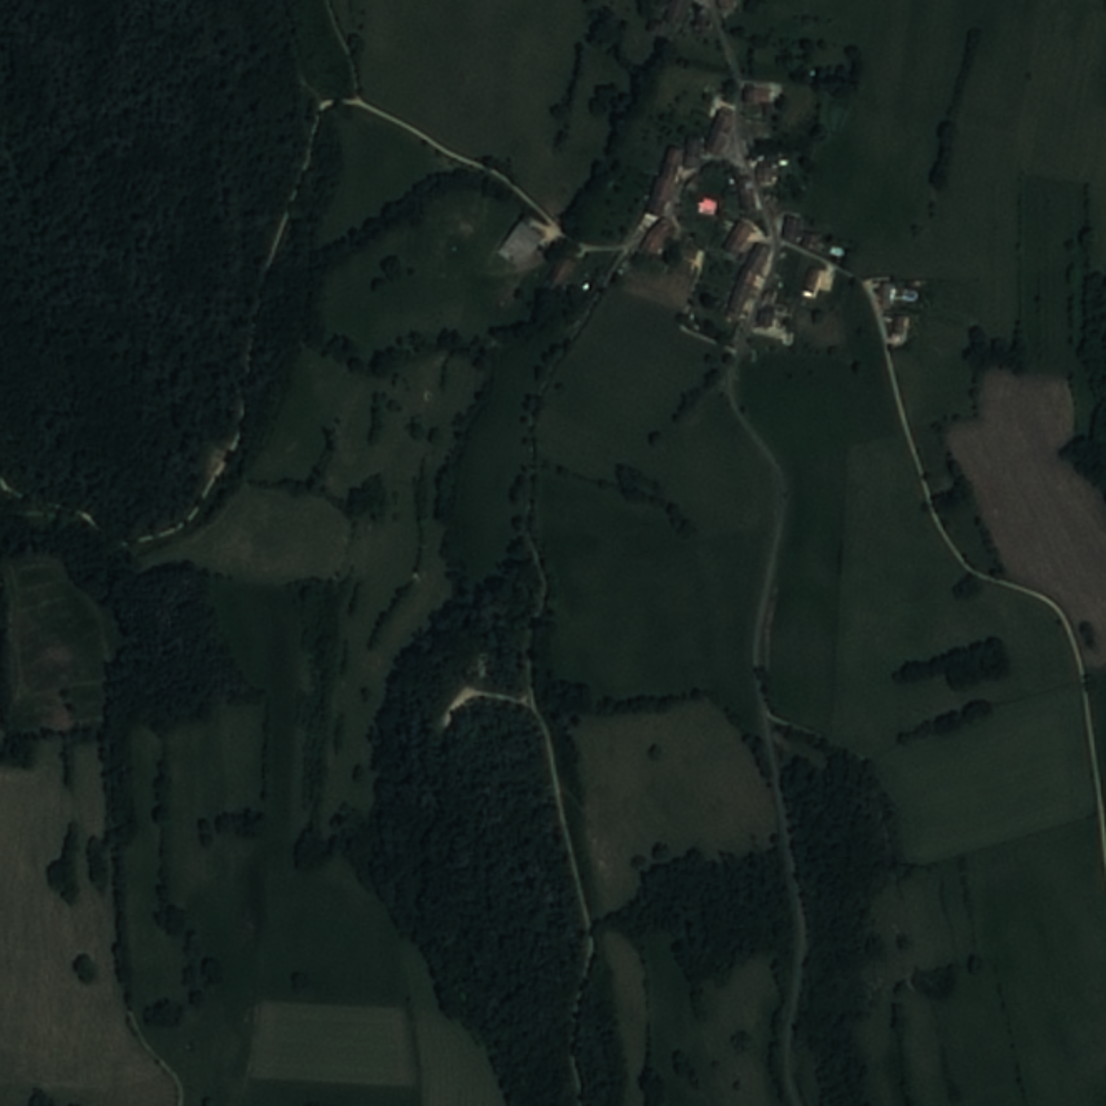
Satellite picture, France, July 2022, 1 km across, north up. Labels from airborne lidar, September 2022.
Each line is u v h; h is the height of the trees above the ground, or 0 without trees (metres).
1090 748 0
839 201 0
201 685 22
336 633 8
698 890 12
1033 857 0
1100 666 0
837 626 0
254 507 0
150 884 0
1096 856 0
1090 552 0
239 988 0
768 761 11
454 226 0
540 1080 15
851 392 0
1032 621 0
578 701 19
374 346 0
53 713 0
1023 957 0
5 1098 0
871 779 10
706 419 0
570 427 0
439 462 0
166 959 0
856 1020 10
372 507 16
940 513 8
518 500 18
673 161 0
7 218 15
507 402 0
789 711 0
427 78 0
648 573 0
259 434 17
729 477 0
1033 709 0
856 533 0
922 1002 0
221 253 15
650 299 0
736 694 0
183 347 13
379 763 18
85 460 18
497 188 15
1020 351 13
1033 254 0
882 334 0
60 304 13
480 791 24
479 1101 0
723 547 0
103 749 12
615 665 0
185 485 16
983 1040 0
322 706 10
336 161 13
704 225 0
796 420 0
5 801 0
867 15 0
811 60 9
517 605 16
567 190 0
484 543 0
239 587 0
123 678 16
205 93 12
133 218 8
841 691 0
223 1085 0
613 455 0
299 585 7
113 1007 0
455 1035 0
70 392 15
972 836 0
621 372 0
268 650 0
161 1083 0
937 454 0
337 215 0
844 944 11
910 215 0
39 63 13
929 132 0
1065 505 0
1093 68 0
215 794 0
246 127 14
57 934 0
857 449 0
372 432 6
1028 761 0
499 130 0
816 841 14
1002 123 0
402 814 21
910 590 0
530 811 7
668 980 0
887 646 0
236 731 0
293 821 0
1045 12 0
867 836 11
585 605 0
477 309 0
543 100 0
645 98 22
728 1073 0
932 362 0
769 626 0
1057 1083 0
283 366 19
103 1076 0
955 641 0
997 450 0
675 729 0
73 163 19
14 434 12
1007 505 0
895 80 0
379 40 0
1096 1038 0
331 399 0
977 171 0
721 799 0
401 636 0
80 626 0
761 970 0
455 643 24
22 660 0
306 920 0
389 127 0
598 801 0
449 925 20
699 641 0
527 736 14
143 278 20
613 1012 15
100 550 15
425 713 17
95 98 13
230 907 0
